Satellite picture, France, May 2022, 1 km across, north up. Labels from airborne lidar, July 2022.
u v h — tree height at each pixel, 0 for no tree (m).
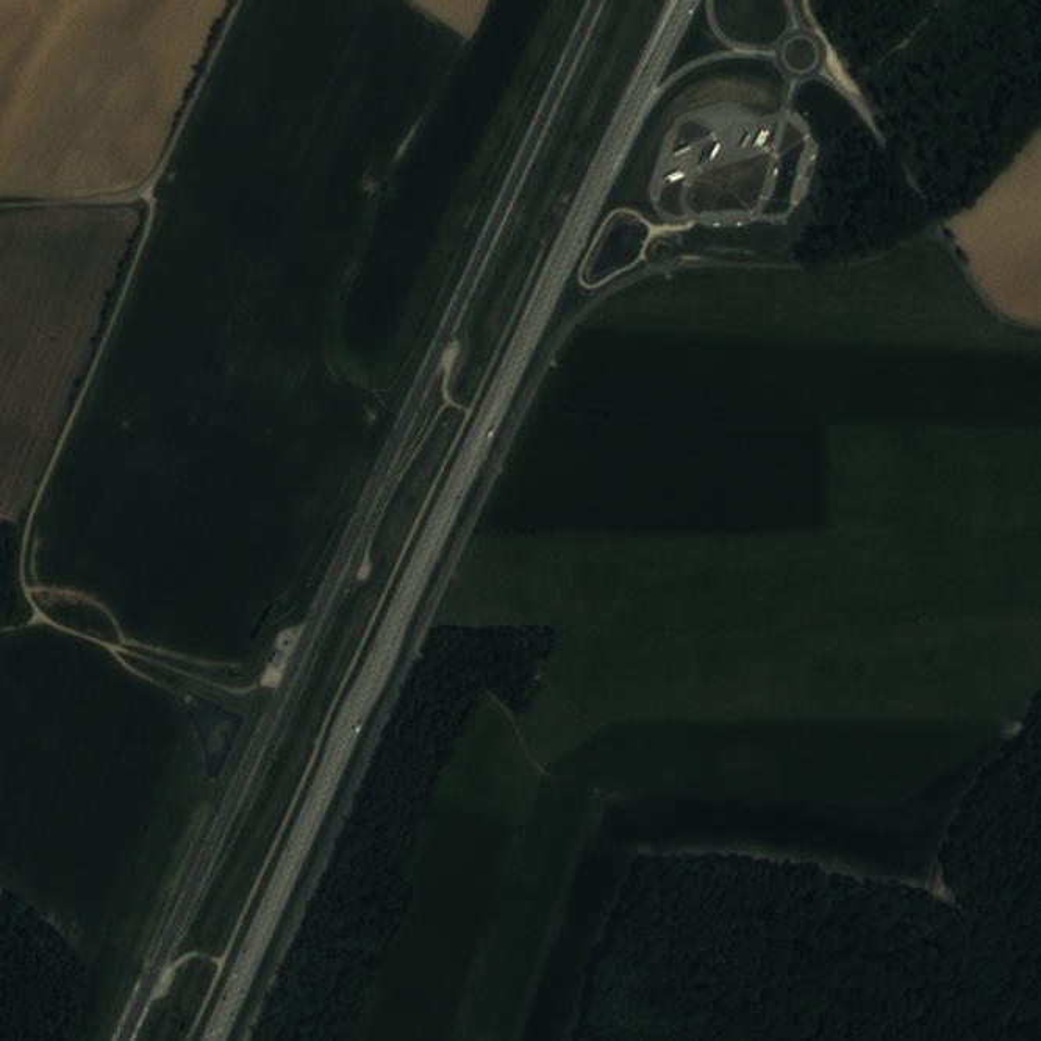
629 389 0
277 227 0
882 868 0
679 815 0
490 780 0
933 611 0
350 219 0
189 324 0
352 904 21
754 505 0
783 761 0
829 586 0
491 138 0
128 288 0
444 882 0
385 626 0
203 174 0
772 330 0
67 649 0
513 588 0
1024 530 0
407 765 20
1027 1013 26
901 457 0
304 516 0
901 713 0
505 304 0
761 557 0
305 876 0
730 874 27
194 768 0
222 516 0
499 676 22
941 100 27
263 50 0
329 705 0
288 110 0
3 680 0
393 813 18
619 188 0
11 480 0
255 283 0
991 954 19
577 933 0
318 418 0
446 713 19
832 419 0
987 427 0
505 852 0
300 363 0
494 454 0
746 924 25
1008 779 21
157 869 0
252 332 0
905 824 0
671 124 0
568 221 0
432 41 0
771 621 0
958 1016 20
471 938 0
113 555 0
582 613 0
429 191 0
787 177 0
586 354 0
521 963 0
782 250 0
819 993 29
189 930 0
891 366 0
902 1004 27
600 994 24
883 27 12
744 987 24
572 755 0
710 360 0
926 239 0
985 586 0
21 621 17
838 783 0
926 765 0
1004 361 0
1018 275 0
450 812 0
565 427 0
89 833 0
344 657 0
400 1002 0
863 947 28
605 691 0
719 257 0
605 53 0
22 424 0
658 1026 20
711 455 0
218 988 0
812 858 0
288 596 0
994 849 26
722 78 0
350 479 0
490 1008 0
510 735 0
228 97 0
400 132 0
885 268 0
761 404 0
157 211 0
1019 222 0
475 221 0
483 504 0
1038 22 26
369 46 0
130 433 0
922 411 0
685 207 0
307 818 0
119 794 0
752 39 0
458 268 0
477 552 0
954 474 0
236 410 0
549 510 0
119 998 0
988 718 0
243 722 0
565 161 0
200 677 0
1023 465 0
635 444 0
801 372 0
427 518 0
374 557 0
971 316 0
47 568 0
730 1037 17
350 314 0
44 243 0
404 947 0
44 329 0
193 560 0
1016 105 27
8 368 0
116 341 0
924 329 0
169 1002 0
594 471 0
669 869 23
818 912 33
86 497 0
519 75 0
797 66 0
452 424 0
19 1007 23
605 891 0
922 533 0
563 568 0
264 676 0
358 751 0
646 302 0
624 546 0
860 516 0
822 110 0
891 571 0
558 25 0
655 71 0
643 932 27
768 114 0
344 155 0
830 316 0
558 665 0
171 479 0
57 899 0
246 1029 0
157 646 0
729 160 0
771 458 0
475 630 7
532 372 0
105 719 0
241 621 0
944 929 23
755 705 0
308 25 0
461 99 0
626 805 0
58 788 0
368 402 0
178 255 0
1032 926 23
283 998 18
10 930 17
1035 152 0
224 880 0
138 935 0
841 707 0
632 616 0
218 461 0
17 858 0
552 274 0
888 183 28
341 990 20
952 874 21
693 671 0
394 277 0
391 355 0
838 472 0
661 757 0
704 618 0
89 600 0
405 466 0
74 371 0
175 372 0
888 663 0
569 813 0
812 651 0
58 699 0
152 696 0
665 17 0
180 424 0
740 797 0
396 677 0
